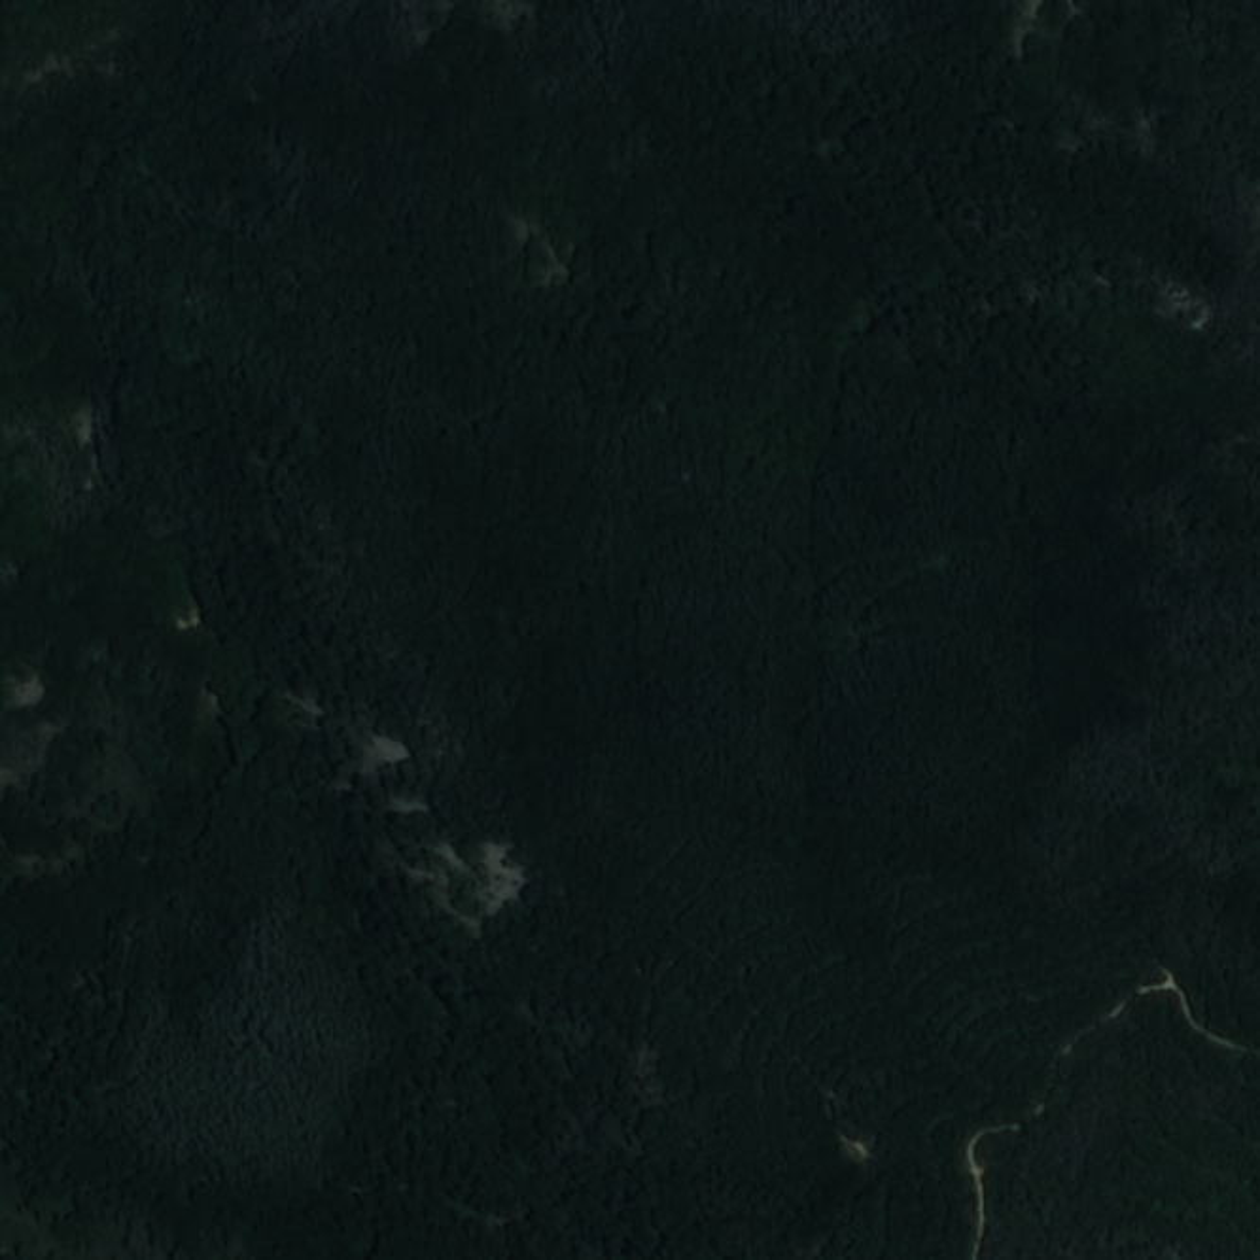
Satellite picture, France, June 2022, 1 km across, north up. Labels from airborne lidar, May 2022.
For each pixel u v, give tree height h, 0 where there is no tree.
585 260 19
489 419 14
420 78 29
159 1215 18
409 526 19
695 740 13
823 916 10
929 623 14
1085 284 10
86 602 20
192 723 18
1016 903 10
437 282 23
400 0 18
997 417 17
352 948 11
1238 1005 12
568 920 12
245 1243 7
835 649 8
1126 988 10
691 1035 8
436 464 21
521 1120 21
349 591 9
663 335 16
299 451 17
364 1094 17
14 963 24
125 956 25
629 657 16
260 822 12
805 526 16
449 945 19
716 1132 6
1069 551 23
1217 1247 7
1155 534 16
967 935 9
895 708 16
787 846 15
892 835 11
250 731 27
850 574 16
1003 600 18
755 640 17
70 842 13
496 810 8
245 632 16
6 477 17
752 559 12
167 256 16
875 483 19
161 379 22
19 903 16
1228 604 15
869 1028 11
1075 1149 10
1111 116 8
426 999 24
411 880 13
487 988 21
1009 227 17
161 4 14
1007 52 11
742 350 15
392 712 13
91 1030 22
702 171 23
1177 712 5
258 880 10
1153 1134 11
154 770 9
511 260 19
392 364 17
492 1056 22
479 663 18
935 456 16
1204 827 7
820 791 16
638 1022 11
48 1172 21
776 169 19
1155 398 17
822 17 18
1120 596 22
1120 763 16
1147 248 10
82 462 12
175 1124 24
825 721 15
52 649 6
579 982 13
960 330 8
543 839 17
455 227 25
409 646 11
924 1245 11
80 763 15
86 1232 13
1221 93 9
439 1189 20
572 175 22
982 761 14
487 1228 26
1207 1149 8
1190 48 11
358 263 24
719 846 11
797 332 11
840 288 24
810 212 26
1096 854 11
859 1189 10
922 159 11
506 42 19
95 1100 21
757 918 11
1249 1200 6
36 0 18
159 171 16
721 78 18
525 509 19
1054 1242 9
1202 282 9
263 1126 18
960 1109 12
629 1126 10
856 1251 10
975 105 18
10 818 16
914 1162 9
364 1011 16
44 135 20
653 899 11
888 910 9
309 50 22
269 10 22
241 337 12
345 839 22
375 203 25
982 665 17
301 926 18
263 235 19
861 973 11
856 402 19
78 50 9
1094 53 16
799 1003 11
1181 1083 11
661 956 13
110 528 26
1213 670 6
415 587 19
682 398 13
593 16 17
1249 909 14
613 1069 13
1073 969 11
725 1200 15
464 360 22
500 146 22
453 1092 27
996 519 19
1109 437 28
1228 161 7
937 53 15
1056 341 14
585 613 15
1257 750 6
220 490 15
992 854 17
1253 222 9
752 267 15
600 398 14
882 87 15
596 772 16
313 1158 24
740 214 22
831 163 10
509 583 21
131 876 22
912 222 21
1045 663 18
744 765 17
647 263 19
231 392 13
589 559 15
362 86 21
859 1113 10
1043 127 10
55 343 16
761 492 10
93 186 19
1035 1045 10
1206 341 11
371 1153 24
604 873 17
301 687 22
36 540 17
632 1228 22
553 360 18
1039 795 13
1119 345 14
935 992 10
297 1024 21
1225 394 13
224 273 18
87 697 8
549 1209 22
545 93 16
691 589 15
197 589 20
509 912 10
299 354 18
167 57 24
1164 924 7
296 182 12
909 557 21
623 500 14
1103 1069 9
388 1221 15
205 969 24
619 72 21
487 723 19
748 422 12
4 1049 16
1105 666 21
